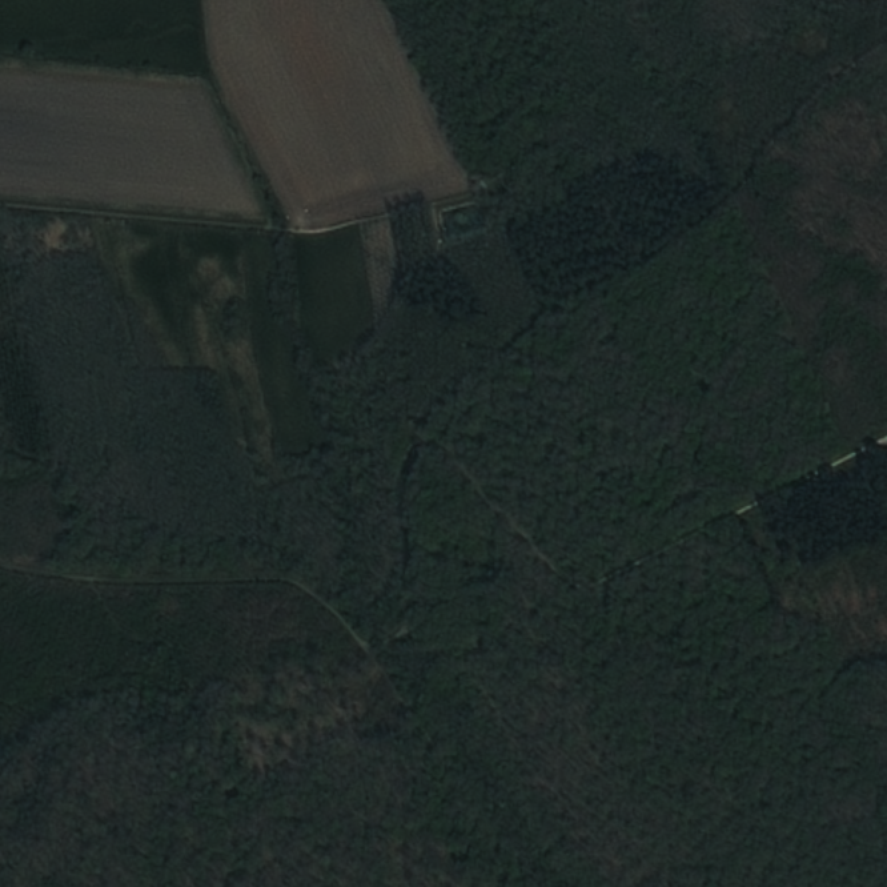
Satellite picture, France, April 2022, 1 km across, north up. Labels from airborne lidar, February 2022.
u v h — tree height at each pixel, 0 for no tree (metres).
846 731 28
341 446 21
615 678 32
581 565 28
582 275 7
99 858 30
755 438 25
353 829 29
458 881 27
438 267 31
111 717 26
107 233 0
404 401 21
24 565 0
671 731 27
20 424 0
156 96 0
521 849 25
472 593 27
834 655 22
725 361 22
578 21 19
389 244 0
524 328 19
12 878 28
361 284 0
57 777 32
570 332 24
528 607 22
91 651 9
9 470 23
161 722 32
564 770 24
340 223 0
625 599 24
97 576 21
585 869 23
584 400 30
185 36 0
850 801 25
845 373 17
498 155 18
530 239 30
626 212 25
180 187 0
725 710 26
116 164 0
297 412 0
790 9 15
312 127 0
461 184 0
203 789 26
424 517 25
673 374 25
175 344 0
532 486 23
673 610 28
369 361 22
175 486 22
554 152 27
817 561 27
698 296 26
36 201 0
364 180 0
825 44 0
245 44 0
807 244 18
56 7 0
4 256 7
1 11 0
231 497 24
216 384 14
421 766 30
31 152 0
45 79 0
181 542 20
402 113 0
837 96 17
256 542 24
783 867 24
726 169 16
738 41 19
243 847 21
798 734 20
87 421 24
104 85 0
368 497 22
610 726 29
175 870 27
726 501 25
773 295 23
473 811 29
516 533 22
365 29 0
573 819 21
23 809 28
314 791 29
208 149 0
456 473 27
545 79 25
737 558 24
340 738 0
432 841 33
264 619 5
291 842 24
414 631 27
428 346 20
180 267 0
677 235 27
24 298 19
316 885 32
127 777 26
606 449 27
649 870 27
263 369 0
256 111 0
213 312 0
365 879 31
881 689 28
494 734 18
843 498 30
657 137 25
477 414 28
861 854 26
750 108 16
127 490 18
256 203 0
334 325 0
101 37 0
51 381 24
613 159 28
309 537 24
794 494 28
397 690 22
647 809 26
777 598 25
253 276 0
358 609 22
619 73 23
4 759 28
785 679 28
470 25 25
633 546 30
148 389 19
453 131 16
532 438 27
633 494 25
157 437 20
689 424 28
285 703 23
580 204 36
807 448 28
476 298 34
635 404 23
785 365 26
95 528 24
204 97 0
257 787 23
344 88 0
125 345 14
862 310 19
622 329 21
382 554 24
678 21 17
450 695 23
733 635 23
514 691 27
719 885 28
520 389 27
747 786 25
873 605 0
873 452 23
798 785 22
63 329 22
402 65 0
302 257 0
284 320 16
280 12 0
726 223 22
